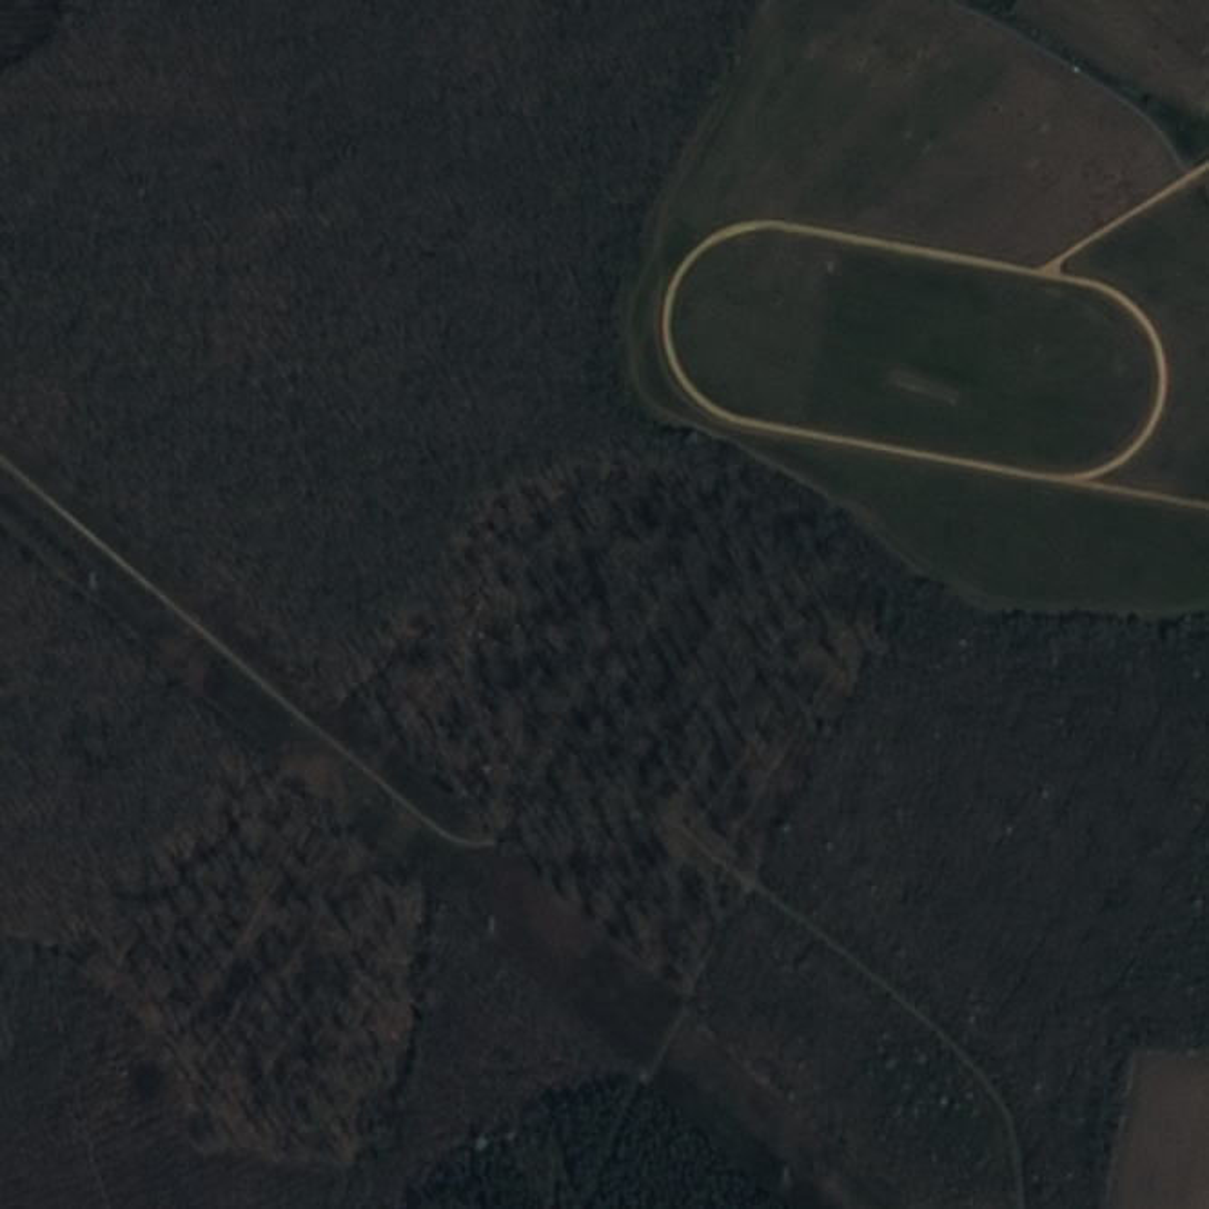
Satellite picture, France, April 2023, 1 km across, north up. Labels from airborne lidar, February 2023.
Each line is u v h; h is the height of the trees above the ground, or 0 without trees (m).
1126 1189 0
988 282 0
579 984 0
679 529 0
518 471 27
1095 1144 18
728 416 0
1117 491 0
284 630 23
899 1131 11
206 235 23
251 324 25
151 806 25
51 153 17
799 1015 11
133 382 20
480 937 10
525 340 19
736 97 0
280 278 24
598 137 20
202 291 19
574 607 36
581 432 23
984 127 0
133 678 19
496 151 20
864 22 0
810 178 0
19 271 22
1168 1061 0
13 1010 19
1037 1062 10
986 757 10
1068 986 8
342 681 24
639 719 33
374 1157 11
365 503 23
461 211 18
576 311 21
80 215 18
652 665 35
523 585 34
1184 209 0
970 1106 11
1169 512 0
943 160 0
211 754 24
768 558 36
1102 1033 10
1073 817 9
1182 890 7
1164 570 0
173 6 20
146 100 20
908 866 9
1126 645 16
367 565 24
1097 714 10
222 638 0
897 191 0
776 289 0
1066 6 0
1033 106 0
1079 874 7
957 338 0
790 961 10
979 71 0
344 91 19
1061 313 0
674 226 0
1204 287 0
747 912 9
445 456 20
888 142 0
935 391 0
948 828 7
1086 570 0
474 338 21
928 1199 10
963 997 6
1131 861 9
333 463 20
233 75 25
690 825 7
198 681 0
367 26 20
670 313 0
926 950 11
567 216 20
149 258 19
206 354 27
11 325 22
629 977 0
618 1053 10
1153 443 0
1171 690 7
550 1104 8
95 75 17
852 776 7
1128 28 0
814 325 0
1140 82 0
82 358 23
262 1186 6
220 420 21
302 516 23
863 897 12
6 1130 6
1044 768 9
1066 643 19
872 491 0
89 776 20
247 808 36
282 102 24
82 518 0
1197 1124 0
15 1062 6
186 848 27
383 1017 32
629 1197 24
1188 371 0
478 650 0
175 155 23
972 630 14
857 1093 13
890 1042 12
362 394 22
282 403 22
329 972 0
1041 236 0
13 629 20
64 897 24
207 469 22
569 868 0
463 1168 9
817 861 12
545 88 19
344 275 25
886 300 0
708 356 0
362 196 22
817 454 0
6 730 23
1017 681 10
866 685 10
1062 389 0
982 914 9
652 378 0
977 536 0
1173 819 10
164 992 0
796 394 0
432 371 22
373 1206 9
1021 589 0
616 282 14
